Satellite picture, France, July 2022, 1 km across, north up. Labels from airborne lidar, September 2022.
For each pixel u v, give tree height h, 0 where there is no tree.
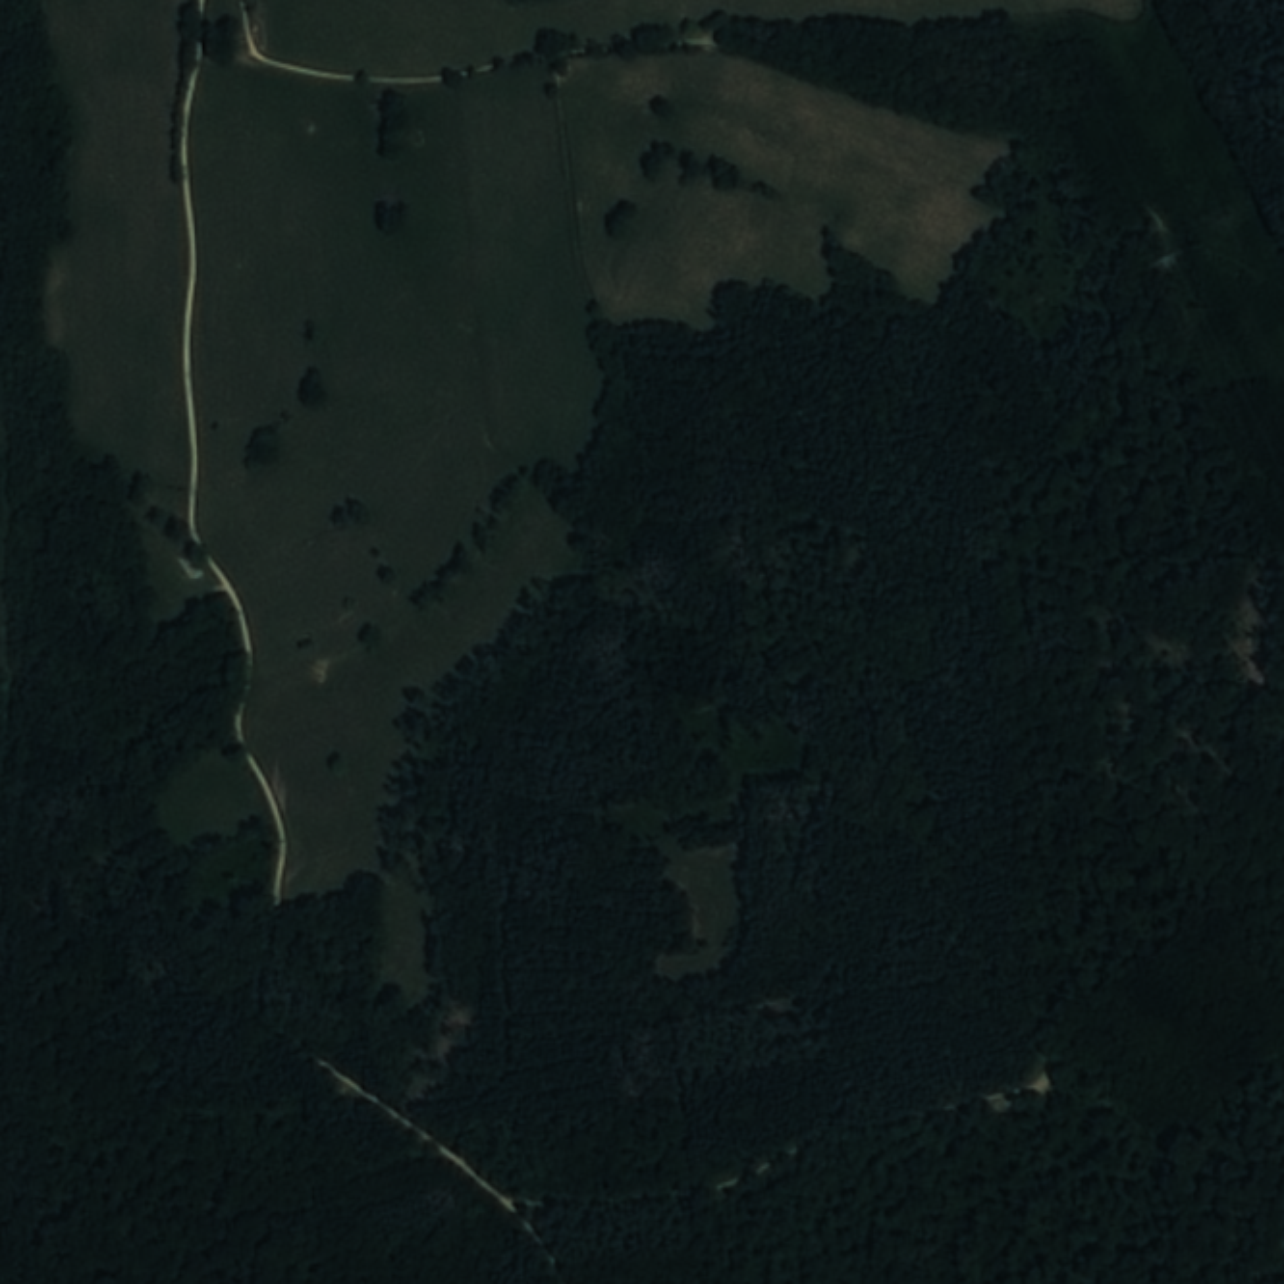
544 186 0
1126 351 23
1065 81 9
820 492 20
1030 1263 7
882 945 21
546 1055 16
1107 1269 24
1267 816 25
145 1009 17
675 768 18
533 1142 19
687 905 23
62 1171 22
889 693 27
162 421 0
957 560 13
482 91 0
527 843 18
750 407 18
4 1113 14
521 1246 26
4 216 13
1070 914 26
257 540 0
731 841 21
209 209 0
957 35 25
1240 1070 11
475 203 0
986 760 18
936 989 24
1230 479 27
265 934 26
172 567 0
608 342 18
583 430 0
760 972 25
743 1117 20
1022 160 14
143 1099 20
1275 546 17
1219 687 23
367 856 0
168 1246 23
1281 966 22
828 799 24
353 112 0
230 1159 14
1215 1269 25
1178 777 28
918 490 23
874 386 21
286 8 0
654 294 0
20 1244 23
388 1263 15
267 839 20
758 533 16
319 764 0
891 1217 20
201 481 0
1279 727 25
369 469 0
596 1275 19
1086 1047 14
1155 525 26
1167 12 20
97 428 0
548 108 0
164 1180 24
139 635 25
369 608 0
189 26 14
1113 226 14
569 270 0
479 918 25
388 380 0
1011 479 22
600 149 0
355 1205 14
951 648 28
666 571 27
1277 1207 26
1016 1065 21
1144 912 27
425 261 0
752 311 21
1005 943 19
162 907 26
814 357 20
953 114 24
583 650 26
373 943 22
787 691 23
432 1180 18
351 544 0
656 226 0
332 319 0
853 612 22
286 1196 19
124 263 0
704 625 16
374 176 0
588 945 15
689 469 15
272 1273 26
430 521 0
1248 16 29
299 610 0
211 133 0
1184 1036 13
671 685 15
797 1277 21
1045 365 21
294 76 0
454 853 25
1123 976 25
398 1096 21
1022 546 20
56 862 28
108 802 26
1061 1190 20
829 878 24
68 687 21
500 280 0
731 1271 9
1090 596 22
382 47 0
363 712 0
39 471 14
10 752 11
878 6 0
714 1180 21
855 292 12
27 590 13
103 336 0
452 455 0
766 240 0
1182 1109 8
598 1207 20
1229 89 22
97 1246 24
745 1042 33
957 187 0
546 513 0
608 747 16
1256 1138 28
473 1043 15
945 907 20
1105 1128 26
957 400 19
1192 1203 23
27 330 20
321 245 0
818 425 18
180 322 0
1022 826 28
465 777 24
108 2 0
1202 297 14
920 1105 26
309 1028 20
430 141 0
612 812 20
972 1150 26
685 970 0
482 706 27
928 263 0
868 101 21
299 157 0
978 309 18
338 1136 16
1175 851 28
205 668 11
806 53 23
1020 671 21
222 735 22
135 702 11
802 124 0
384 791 0
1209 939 21
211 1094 19
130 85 0
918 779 23
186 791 0
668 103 16
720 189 11
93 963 22
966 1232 6
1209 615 19
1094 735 26
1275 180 26
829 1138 19
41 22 22
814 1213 23
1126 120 10
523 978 21
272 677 0
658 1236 25
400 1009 24
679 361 16
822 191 0
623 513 21
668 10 0
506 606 0
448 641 0
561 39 16
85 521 21
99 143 0
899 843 25
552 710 12
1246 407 11
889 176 0
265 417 0
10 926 17
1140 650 27
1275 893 28
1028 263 20
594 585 19
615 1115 18
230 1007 20
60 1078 19
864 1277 17
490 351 0
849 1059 23
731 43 16
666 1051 22
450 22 0
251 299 0
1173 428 27
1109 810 12
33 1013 21
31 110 8
